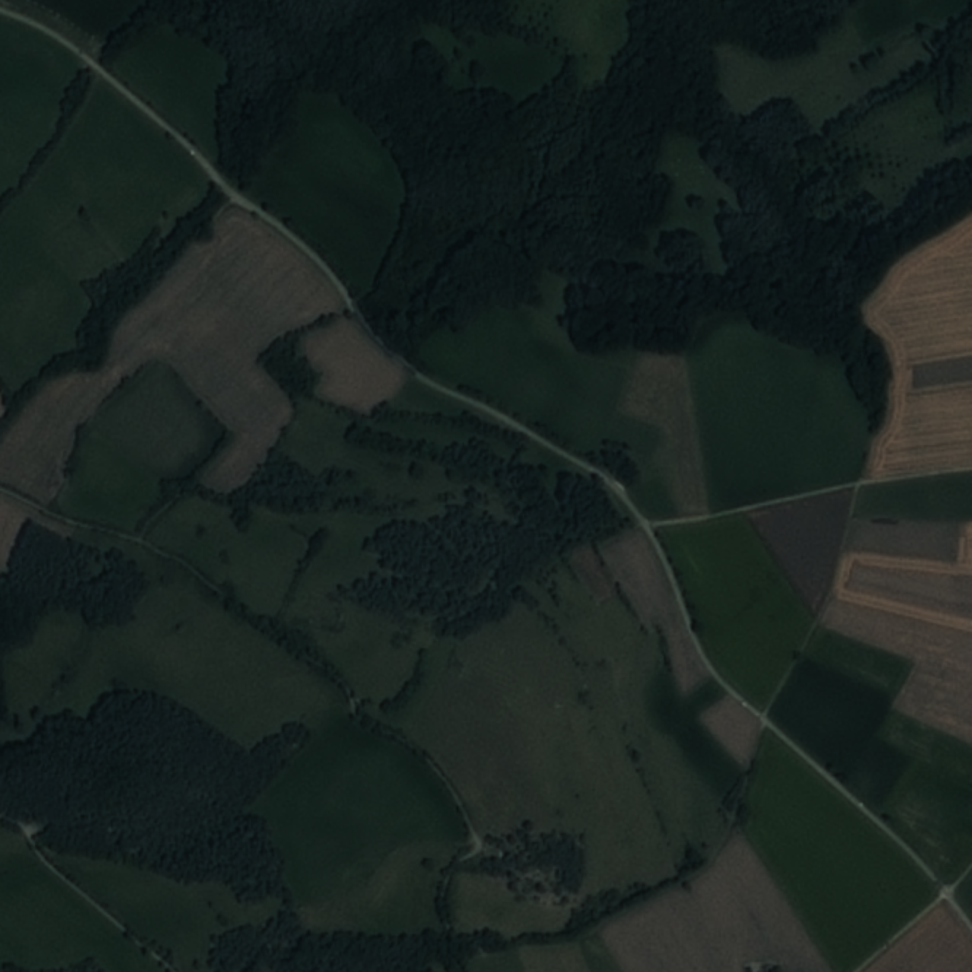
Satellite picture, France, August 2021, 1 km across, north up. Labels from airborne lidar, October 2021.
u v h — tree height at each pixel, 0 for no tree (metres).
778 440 0
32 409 0
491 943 20
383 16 30
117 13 0
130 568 10
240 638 0
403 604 9
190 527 0
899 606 0
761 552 0
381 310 10
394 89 24
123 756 17
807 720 0
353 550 0
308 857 0
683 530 0
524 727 0
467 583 11
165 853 12
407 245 11
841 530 0
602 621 0
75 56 0
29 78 0
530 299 17
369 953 14
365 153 0
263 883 13
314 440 0
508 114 16
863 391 19
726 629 0
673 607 0
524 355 0
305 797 0
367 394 0
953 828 0
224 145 16
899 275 0
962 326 0
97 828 10
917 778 0
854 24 0
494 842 10
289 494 14
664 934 0
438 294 37
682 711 0
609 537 7
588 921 13
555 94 6
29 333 0
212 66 0
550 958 0
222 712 0
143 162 0
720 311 14
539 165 18
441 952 19
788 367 0
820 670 0
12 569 12
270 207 15
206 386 0
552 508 16
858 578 0
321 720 0
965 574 0
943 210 16
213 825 12
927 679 0
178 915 0
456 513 8
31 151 0
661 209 13
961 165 19
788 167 23
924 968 0
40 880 0
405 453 13
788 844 0
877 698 0
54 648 0
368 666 0
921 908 0
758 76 0
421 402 0
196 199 0
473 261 33
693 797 0
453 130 23
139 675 0
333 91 18
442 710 0
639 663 0
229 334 0
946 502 0
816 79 0
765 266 20
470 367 0
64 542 13
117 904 0
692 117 29
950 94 9
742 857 0
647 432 0
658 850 0
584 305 25
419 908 0
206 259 0
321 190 0
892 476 0
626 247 15
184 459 0
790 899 0
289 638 7
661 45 23
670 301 25
